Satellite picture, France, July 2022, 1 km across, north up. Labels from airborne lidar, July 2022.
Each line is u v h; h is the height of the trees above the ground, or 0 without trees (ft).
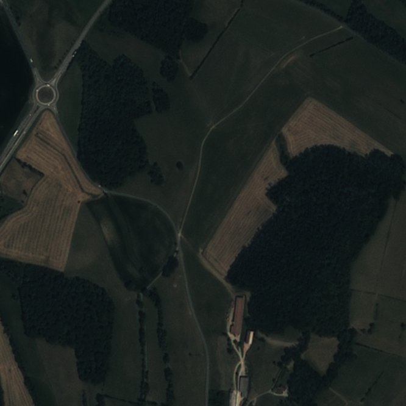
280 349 0
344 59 0
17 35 0
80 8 0
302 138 0
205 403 0
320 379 39
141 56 0
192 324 0
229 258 0
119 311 0
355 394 0
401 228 0
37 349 0
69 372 0
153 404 42
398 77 0
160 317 30
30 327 74
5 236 0
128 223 0
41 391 0
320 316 41
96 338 94
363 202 68
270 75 0
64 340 73
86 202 0
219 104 0
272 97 0
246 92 0
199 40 29
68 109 0
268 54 0
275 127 0
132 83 50
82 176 0
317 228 40
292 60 0
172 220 0
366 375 0
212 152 0
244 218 0
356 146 0
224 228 0
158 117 0
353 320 0
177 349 0
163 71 55
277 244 82
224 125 0
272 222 56
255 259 79
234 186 0
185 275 0
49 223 0
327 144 0
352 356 69
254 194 0
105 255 0
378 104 0
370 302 0
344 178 77
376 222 48
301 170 76
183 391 0
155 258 0
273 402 0
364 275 0
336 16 23
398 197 49
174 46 27
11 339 41
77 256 0
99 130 51
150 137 0
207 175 0
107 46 0
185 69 0
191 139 0
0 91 0
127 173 50
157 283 0
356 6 38
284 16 0
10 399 0
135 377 0
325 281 57
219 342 0
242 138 0
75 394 0
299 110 0
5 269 48
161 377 0
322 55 0
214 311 0
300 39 0
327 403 0
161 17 74
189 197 0
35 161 0
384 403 0
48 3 0
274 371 0
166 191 0
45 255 0
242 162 0
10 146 0
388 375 0
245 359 0
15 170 0
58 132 0
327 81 0
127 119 48
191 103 0
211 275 0
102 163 47
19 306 0
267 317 58
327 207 47
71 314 76
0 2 0
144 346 35
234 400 0
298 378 73
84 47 47
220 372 0
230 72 0
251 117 0
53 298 80
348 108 0
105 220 0
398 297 0
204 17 0
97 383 49
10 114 0
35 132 0
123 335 0
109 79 71
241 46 0
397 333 0
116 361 0
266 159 0
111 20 50
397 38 76
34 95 0
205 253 0
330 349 0
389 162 92
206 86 0
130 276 0
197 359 0
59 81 0
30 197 0
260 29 0
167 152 0
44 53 0
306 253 80
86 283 53
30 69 0
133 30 37
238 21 0
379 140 0
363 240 67
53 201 0
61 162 0
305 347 58
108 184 41
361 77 0
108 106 55
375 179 26
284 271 63
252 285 64
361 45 0
